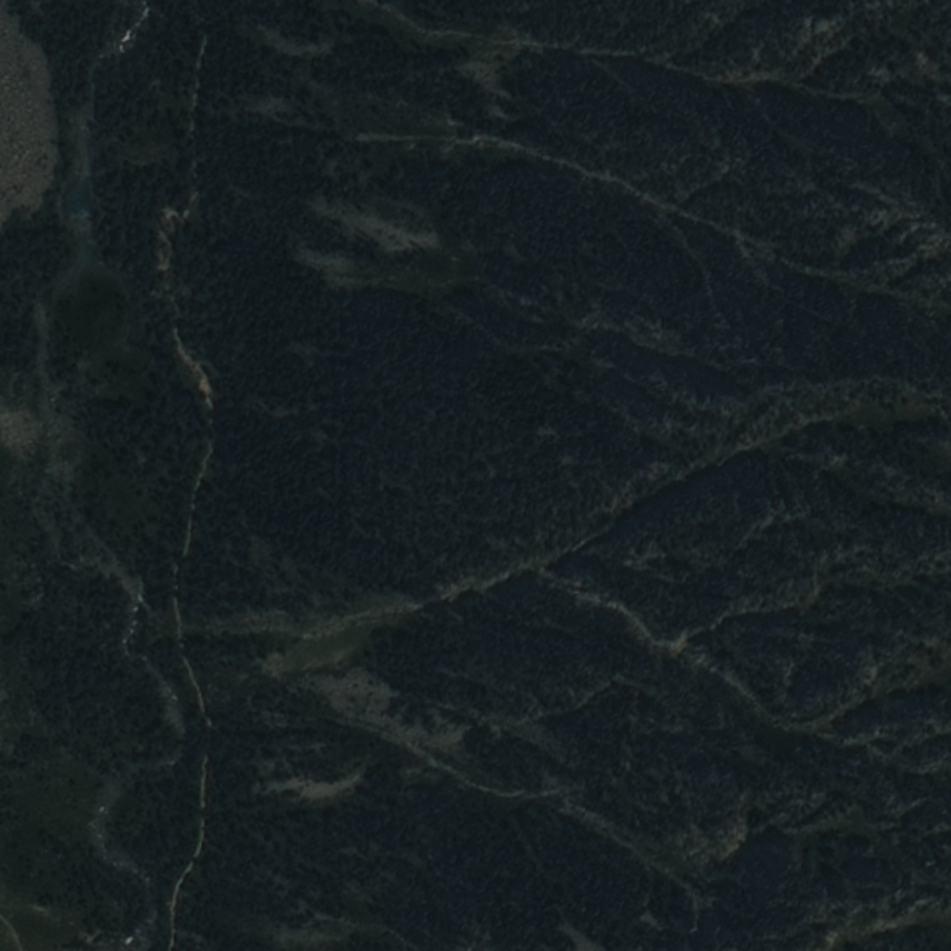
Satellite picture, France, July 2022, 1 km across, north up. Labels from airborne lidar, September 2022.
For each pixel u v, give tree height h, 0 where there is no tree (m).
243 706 7
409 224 0
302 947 0
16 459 0
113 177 16
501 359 10
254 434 20
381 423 9
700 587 8
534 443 15
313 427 17
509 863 12
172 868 7
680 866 0
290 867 8
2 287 6
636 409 9
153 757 15
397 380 10
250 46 12
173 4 11
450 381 11
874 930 0
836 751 7
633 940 7
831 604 6
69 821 0
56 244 17
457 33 0
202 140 14
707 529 9
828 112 9
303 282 22
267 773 0
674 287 11
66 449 0
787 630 12
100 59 6
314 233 12
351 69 16
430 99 18
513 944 8
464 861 13
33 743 6
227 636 10
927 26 11
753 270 9
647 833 7
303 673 0
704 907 0
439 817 15
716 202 10
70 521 11
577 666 7
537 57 12
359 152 15
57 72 7
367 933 0
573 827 8
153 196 9
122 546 8
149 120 13
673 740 8
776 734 0
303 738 8
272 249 15
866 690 10
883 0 9
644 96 14
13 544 7
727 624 8
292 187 14
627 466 7
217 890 10
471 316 7
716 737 8
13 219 9
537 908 11
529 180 8
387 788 9
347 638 0
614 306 6
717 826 6
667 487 0
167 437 15
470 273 0
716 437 6
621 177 7
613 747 10
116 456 6
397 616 0
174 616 0
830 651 11
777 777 10
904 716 9
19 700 6
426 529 10
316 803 0
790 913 12
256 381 16
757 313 6
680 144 8
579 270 8
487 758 10
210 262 7
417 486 9
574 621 7
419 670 14
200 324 14
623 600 8
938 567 9
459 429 7
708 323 8
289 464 21
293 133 11
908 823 12
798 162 11
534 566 0
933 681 0
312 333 18
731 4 8
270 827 8
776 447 0
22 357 11
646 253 9
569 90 13
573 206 9
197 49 8
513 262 14
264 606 16
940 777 0
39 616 11
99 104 15
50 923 0
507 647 6
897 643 8
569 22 10
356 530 12
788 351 8
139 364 0
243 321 18
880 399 11
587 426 14
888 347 7
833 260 13
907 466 9
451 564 6
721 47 15
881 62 8
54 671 11
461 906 7
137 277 11
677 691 10
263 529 12
